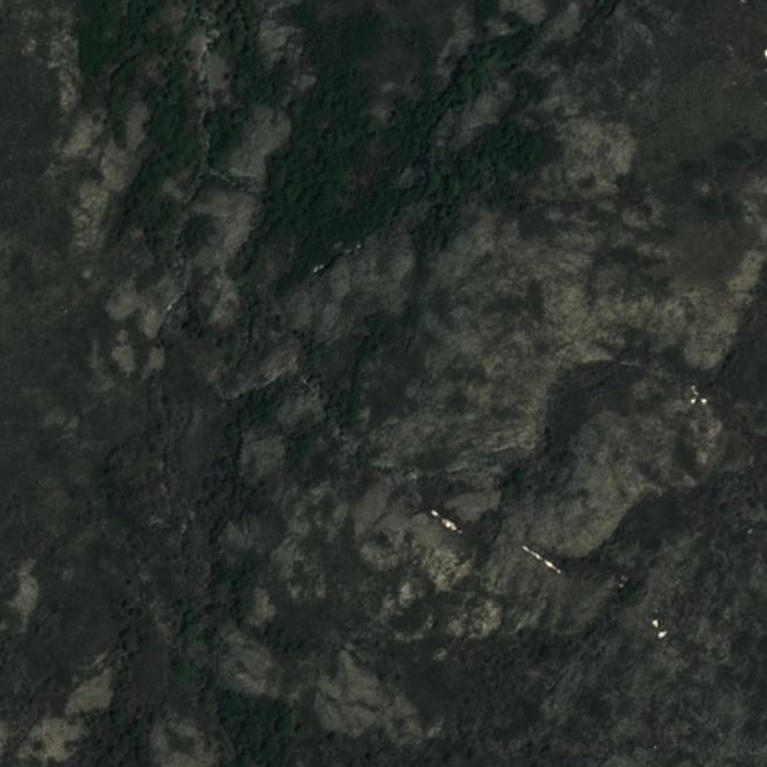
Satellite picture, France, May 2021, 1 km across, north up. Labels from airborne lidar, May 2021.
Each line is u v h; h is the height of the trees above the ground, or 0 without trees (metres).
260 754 12
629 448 0
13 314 0
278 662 0
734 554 0
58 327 0
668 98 0
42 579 0
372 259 0
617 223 0
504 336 0
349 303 0
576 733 0
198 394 0
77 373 0
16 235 0
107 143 0
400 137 8
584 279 0
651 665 0
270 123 0
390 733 0
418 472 0
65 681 0
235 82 8
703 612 0
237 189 5
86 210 0
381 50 0
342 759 0
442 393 0
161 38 8
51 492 0
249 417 8
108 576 0
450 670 0
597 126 0
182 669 17
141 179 9
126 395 0
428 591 0
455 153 6
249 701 11
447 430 0
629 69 0
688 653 0
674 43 0
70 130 0
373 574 0
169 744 0
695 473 0
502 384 0
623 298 0
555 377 0
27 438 0
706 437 0
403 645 0
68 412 0
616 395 0
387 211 19
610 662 0
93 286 0
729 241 0
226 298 0
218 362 0
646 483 0
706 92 0
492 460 0
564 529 0
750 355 0
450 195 7
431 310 0
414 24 0
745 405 0
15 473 0
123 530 0
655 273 0
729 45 0
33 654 0
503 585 0
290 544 0
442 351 0
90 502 9
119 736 9
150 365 0
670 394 0
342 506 0
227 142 14
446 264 0
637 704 0
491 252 0
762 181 0
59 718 0
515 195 7
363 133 8
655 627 0
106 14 6
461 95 6
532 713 0
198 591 0
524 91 13
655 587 0
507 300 0
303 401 0
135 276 0
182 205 8
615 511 0
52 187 0
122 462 10
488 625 0
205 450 0
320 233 8
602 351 0
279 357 0
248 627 7
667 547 0
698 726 0
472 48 11
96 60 9
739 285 0
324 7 0
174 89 15
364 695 0
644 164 0
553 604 0
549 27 0
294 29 0
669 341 0
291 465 6
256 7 10
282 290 8
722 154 0
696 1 0
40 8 0
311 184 7
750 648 0
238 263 7
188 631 21
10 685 12
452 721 0
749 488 10
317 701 0
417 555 0
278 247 0
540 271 0
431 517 0
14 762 0
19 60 0
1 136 0
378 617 0
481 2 6
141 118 0
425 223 6
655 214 0
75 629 0
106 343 0
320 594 0
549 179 0
